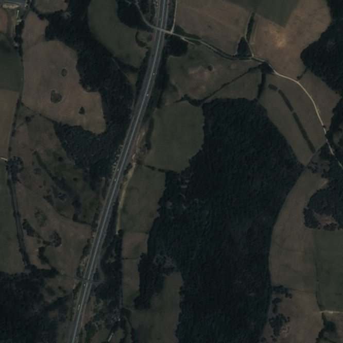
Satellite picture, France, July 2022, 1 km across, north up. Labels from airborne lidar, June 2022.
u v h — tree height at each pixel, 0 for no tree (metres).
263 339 10
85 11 21
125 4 14
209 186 20
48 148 0
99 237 0
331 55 10
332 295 0
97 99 0
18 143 0
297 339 0
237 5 0
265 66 16
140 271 16
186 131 0
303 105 0
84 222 7
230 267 11
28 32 0
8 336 10
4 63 0
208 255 15
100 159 16
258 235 7
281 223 0
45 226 0
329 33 13
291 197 0
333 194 19
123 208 0
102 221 0
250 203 8
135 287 0
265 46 0
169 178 19
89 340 6
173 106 0
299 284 0
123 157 0
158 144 0
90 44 16
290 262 0
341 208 17
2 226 0
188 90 0
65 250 0
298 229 0
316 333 0
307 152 0
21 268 0
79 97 0
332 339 0
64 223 0
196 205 21
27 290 11
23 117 0
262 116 8
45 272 18
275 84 0
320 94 0
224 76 0
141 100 0
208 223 11
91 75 18
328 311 0
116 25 0
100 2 0
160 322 0
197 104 20
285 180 11
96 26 0
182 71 0
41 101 0
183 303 13
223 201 12
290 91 0
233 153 13
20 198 0
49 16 15
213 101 11
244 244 7
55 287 0
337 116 11
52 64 0
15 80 0
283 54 0
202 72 0
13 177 10
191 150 0
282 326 12
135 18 15
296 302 0
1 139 0
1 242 0
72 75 0
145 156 0
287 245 0
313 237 0
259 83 0
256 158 16
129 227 0
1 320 21
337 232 0
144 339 0
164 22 0
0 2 0
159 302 0
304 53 11
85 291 0
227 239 8
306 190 0
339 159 15
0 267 0
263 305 10
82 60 16
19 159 10
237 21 0
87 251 14
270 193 10
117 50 0
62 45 0
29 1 9
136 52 0
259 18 0
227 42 0
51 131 0
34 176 0
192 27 0
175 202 21
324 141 0
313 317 0
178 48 12
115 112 8
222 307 19
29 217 0
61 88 0
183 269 14
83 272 6
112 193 0
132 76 0
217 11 0
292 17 0
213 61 0
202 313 17
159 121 0
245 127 12
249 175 8
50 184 0
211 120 6
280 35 0
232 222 9
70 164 0
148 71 0
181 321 12
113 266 8
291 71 0
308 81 0
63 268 0
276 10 0
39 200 0
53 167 0
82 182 0
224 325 17
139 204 0
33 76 0
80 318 0
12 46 0
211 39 0
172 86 0
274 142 12
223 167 16
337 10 8
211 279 13
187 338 15
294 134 0
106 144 17
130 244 0
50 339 13
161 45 0
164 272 15
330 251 0
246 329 13
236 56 9
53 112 0
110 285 8
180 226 12
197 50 0
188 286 18
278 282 0
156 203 0
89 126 0
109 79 16
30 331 15
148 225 0
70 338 0
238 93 0
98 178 6
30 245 0
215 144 16
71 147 17
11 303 18
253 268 12
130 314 0
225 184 13
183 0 0
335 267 0
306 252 0
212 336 11
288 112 0
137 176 0
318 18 0
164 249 18
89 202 0
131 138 0
